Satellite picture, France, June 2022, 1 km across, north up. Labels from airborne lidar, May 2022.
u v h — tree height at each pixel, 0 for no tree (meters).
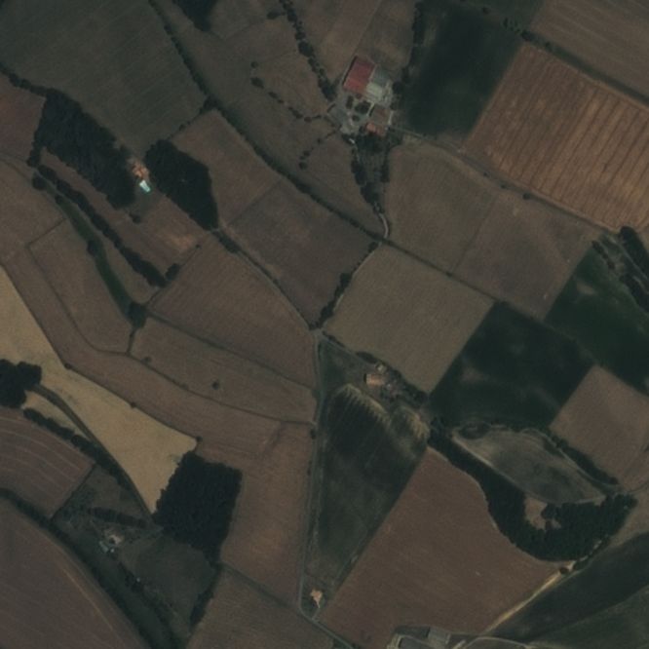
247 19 0
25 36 0
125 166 12
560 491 0
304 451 0
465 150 0
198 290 0
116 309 0
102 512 15
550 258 0
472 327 0
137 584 15
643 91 0
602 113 14
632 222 0
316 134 0
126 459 0
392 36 0
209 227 11
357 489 0
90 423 0
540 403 0
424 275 0
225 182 0
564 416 0
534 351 0
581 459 15
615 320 0
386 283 0
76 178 0
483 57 0
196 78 10
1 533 0
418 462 0
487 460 0
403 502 0
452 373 0
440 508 0
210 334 0
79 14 0
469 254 0
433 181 0
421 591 0
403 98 0
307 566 0
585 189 0
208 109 10
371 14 0
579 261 0
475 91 0
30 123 0
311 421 0
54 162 0
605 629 0
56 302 0
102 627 0
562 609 0
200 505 22
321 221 0
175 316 0
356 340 0
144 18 0
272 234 0
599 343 0
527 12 0
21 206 0
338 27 0
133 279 0
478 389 0
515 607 0
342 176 0
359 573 0
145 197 0
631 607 0
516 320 0
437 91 0
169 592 0
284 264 0
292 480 0
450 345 0
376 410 0
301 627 0
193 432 0
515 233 0
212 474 18
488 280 0
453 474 0
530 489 0
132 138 0
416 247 0
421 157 0
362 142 10
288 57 0
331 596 0
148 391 0
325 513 0
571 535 13
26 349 0
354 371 0
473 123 0
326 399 0
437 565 0
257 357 0
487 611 0
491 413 0
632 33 0
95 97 0
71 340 0
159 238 0
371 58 0
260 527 0
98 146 16
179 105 0
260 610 0
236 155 0
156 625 0
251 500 0
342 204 0
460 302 0
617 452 0
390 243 8
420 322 0
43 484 0
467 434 0
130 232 0
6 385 22
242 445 0
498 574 0
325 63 0
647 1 0
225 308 0
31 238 0
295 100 0
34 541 0
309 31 0
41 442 0
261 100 0
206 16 15
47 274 0
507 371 0
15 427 0
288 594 0
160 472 0
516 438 0
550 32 0
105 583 21
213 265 0
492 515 12
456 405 0
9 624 0
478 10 0
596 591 0
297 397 0
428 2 0
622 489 0
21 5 0
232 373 0
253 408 0
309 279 0
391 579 0
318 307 0
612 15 0
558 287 0
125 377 0
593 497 0
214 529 17
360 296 0
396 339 0
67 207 0
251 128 0
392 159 0
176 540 11
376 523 0
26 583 0
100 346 0
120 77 0
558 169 0
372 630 0
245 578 0
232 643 0
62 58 0
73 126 16
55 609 0
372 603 0
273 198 0
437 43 0
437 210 0
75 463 0
